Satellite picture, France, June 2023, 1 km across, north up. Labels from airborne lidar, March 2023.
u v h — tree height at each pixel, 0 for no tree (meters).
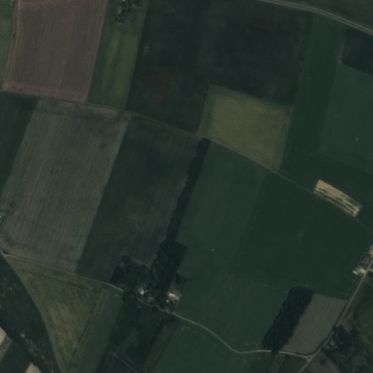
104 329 0
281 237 0
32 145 0
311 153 0
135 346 0
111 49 0
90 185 0
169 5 0
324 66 0
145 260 0
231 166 0
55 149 0
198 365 0
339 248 0
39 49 0
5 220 0
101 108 0
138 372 0
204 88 0
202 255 0
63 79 0
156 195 0
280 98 0
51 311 0
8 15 0
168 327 0
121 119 0
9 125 0
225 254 0
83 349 0
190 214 0
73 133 0
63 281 0
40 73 0
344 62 0
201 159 8
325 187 0
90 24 0
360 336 0
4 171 0
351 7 0
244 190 0
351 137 0
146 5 0
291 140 0
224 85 0
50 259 0
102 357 0
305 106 0
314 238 0
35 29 0
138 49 0
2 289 0
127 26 0
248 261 0
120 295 0
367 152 0
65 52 0
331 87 0
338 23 0
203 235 0
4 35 0
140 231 0
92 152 0
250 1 0
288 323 22
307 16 0
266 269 0
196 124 0
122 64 0
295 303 22
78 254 0
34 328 0
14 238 0
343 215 0
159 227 0
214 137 0
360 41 0
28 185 0
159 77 0
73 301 0
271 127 0
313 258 0
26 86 0
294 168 0
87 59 0
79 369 0
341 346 9
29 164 0
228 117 0
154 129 0
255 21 0
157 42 0
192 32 0
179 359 0
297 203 0
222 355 0
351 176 0
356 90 0
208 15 0
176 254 9
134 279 0
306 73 0
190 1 0
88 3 0
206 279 0
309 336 0
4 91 0
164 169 0
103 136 0
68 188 0
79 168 0
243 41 0
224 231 0
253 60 0
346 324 0
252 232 0
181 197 12
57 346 0
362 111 0
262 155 0
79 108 0
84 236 0
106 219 0
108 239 0
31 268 0
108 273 0
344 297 0
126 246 0
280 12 0
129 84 0
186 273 0
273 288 0
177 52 0
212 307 0
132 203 0
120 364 0
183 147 0
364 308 0
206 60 0
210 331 0
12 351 0
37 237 0
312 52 0
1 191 0
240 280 0
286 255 0
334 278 0
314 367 0
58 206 0
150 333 0
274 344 17
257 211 0
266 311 0
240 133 0
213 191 0
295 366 0
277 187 0
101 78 0
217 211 0
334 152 0
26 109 0
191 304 0
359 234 0
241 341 0
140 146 0
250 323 0
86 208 0
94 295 0
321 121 0
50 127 0
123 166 0
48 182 0
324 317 0
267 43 0
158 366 0
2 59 0
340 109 0
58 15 0
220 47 0
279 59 0
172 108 0
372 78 0
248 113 0
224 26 0
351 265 0
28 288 0
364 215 0
